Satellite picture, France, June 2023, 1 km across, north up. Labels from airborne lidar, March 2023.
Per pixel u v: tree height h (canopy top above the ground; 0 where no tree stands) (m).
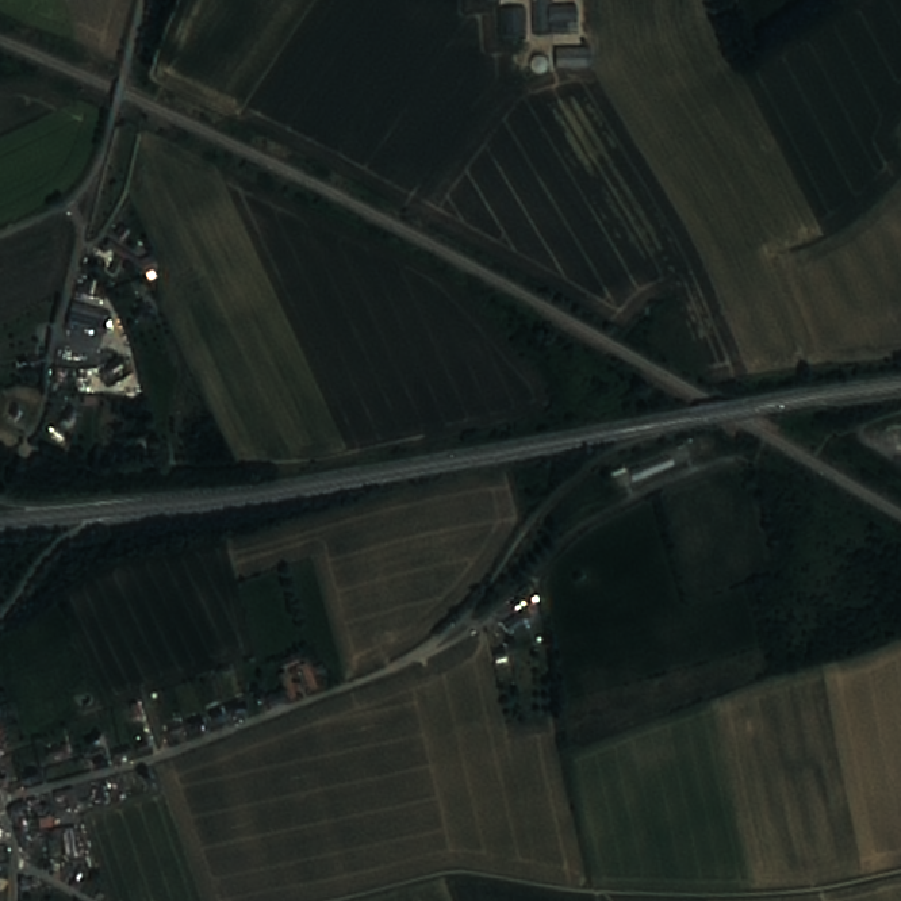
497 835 0
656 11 0
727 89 0
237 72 0
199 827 0
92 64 0
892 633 12
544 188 0
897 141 0
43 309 0
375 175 0
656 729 0
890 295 0
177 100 0
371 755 0
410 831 0
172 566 0
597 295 0
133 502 0
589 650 0
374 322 0
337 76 0
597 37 0
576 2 0
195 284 0
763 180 0
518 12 0
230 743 0
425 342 0
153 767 0
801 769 0
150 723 0
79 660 0
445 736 0
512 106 0
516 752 0
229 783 0
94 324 0
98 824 0
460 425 0
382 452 0
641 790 0
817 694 0
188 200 0
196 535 19
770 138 0
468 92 0
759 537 0
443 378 0
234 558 0
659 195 0
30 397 0
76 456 10
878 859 0
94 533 12
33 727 0
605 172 0
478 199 0
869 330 0
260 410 0
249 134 0
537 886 0
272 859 0
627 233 0
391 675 0
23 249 0
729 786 0
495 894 0
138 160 0
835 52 0
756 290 0
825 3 31
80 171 0
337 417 0
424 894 0
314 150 0
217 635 0
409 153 0
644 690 0
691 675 0
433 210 0
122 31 0
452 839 0
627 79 0
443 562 0
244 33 0
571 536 0
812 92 0
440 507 0
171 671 0
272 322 0
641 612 0
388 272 0
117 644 0
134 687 0
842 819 0
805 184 0
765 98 0
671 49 0
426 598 0
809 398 0
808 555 0
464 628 0
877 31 0
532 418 0
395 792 0
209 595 0
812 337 0
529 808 0
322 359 0
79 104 0
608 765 0
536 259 0
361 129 0
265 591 0
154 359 0
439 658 0
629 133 0
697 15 0
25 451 0
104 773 0
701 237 0
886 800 0
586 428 0
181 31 0
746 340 0
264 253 0
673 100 0
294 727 0
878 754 0
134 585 0
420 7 0
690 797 0
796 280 0
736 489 0
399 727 0
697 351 0
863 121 0
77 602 0
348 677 0
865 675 0
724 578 0
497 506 0
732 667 0
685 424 0
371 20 0
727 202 0
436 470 0
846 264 0
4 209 0
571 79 0
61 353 0
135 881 0
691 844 0
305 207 0
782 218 0
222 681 0
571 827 0
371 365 0
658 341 0
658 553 0
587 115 0
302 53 0
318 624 0
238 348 0
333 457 0
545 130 0
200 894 0
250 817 0
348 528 0
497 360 0
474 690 0
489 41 0
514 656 0
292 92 0
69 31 0
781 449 0
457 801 0
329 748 0
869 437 0
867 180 0
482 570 0
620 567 0
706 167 0
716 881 0
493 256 0
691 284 0
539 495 5
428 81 0
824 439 0
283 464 0
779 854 0
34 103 0
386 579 0
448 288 0
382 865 0
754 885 0
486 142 0
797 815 0
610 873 0
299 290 0
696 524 0
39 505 0
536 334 9
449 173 0
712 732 0
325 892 0
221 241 0
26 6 0
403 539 0
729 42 28
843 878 0
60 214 0
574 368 0
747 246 0
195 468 8
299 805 0
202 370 0
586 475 0
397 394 0
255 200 0
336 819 0
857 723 0
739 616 0
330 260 0
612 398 0
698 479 0
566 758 0
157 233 0
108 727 0
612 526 0
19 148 0
